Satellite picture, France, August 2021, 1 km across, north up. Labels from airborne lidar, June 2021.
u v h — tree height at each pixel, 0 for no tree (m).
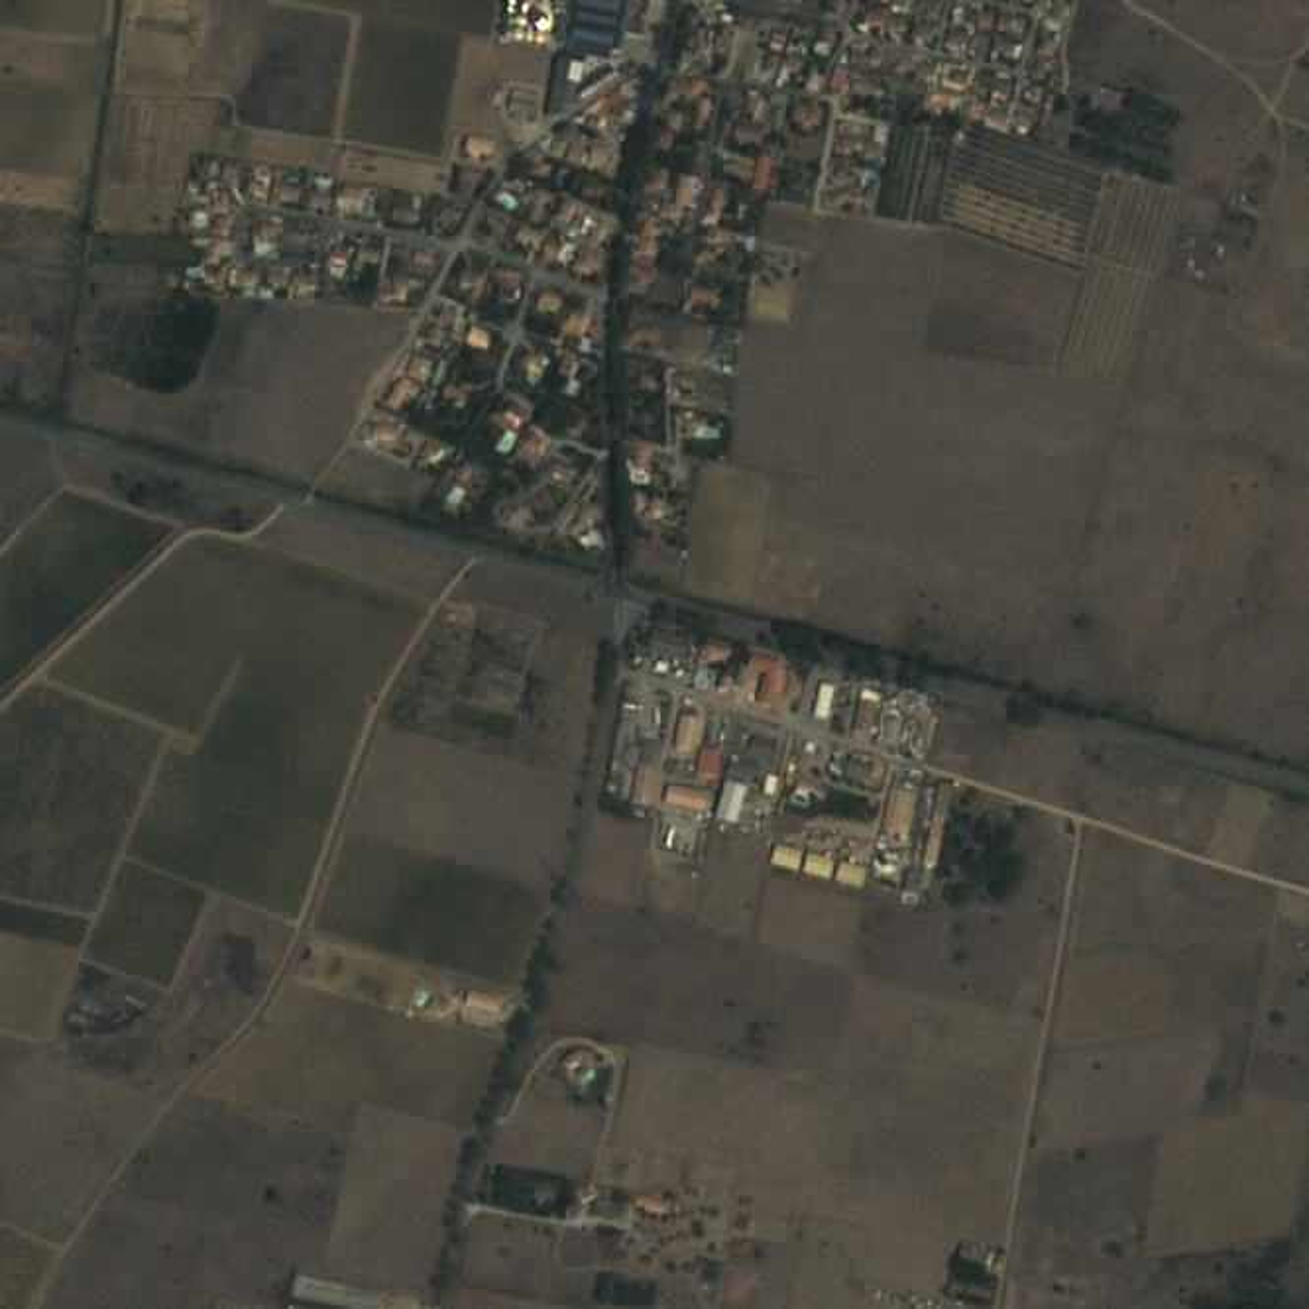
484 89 0
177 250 0
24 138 0
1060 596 0
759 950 0
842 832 0
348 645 0
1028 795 0
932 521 0
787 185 7
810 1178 0
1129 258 0
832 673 0
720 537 0
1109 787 0
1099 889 0
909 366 0
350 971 0
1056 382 0
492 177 8
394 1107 0
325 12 0
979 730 0
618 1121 0
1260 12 0
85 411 0
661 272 7
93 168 0
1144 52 0
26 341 0
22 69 0
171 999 0
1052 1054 0
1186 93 0
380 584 0
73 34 0
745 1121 0
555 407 11
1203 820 0
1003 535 0
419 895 0
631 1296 0
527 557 9
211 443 0
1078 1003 0
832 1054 0
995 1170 0
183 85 0
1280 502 0
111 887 0
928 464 0
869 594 0
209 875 0
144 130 0
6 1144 0
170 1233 0
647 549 0
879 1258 0
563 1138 0
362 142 0
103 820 0
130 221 0
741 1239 0
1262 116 0
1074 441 0
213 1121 0
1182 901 0
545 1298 0
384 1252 0
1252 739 0
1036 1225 0
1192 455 0
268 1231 0
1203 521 0
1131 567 0
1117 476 0
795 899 0
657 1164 0
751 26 0
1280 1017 9
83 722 0
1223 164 0
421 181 0
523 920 0
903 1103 0
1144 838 0
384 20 0
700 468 0
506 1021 0
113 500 0
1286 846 0
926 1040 0
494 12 0
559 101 0
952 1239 0
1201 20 0
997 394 0
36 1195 0
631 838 0
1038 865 0
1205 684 0
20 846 0
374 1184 0
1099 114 8
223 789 0
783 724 0
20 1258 0
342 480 0
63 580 0
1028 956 0
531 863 0
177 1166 0
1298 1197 0
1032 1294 0
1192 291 0
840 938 0
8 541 0
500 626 0
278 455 0
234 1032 0
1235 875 0
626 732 0
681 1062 0
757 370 0
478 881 0
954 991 0
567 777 0
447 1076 0
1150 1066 0
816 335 0
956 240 0
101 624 0
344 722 0
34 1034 0
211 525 0
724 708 0
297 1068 0
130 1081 0
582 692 0
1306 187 0
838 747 0
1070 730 0
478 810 0
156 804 0
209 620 0
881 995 0
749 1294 0
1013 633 0
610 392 14
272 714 0
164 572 0
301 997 0
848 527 0
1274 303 0
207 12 0
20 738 0
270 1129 0
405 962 0
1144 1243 0
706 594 0
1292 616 0
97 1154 0
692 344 0
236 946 0
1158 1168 0
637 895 0
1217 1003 0
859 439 0
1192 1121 0
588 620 0
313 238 0
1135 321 0
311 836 0
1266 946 0
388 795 0
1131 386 0
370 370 0
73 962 0
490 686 0
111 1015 0
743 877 0
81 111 0
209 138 0
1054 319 0
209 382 0
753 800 0
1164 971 0
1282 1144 0
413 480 0
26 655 0
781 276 6
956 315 0
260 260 0
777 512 0
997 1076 0
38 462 0
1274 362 0
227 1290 0
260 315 0
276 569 0
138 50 0
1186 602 0
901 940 0
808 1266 0
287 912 0
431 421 14
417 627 0
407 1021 0
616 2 0
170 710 0
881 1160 0
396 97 0
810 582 0
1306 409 0
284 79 0
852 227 0
